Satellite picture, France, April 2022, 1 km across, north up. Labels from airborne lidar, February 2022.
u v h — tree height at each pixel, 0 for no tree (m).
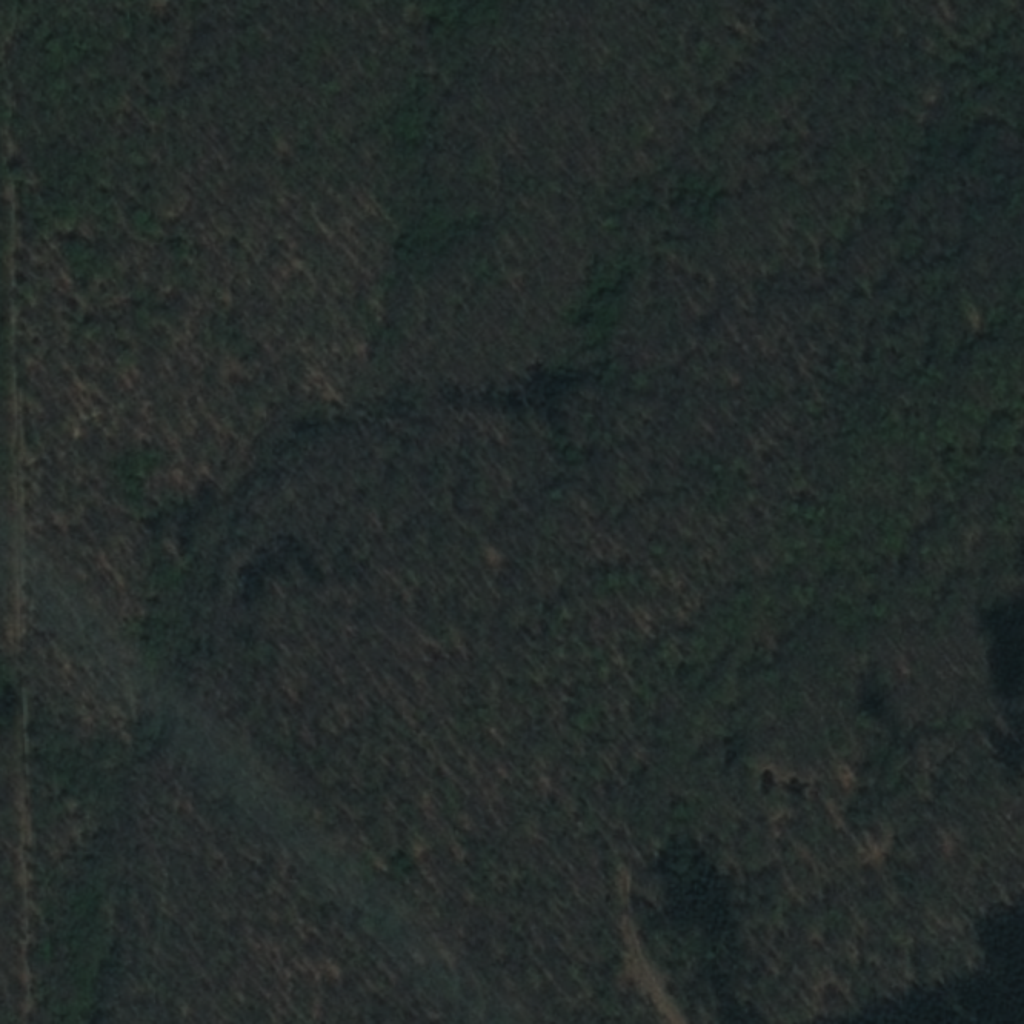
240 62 29
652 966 0
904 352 33
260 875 0
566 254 0
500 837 29
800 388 26
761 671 25
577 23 0
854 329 25
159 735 27
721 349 32
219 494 24
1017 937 29
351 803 29
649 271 26
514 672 29
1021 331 28
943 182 30
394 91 31
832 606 32
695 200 23
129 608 29
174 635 27
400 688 30
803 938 33
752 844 29
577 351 27
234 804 18
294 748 29
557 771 0
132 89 28
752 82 28
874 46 28
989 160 33
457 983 30
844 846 28
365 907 26
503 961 29
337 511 28
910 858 30
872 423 32
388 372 28
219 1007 24
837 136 0
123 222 29
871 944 30
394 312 25
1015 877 0
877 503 34
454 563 0
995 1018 32
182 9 34
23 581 0
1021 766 25
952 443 29
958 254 26
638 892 0
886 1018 32
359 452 0
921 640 35
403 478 24
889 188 33
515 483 29
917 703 34
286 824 31
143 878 0
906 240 30
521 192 29
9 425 27
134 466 27
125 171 29
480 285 32
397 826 33
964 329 33
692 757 34
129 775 21
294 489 0
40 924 22
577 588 29
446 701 29
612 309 25
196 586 21
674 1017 0
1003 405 30
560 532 31
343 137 30
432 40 31
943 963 29
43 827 25
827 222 33
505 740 0
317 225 31
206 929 28
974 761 32
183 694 22
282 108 29
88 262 30
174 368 0
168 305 30
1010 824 0
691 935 28
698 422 33
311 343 0
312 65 31
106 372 0
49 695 30
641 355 30
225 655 31
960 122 24
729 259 0
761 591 0
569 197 30
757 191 18
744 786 31
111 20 0
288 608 28
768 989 32
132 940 28
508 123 0
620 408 28
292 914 29
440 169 31
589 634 32
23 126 29
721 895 31
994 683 30
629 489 31
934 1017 35
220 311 28
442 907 28
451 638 0
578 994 27
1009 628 23
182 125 28
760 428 30
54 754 30
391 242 27
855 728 31
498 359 0
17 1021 27
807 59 32
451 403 26
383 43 0
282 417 22
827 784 35
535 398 34
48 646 21
